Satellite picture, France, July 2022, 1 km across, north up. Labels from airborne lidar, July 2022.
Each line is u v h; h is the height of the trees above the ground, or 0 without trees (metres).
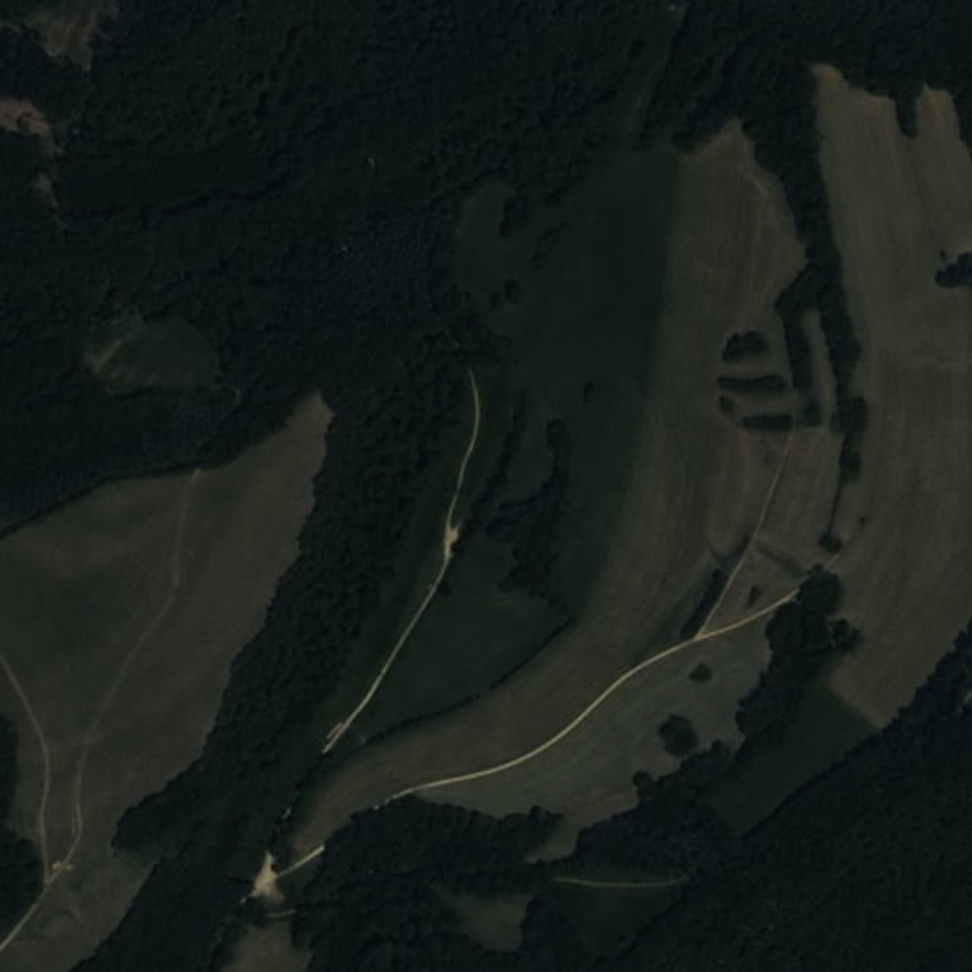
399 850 32
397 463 29
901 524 0
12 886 18
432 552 0
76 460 18
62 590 0
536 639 0
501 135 28
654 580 0
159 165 13
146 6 18
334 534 23
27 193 20
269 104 32
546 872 20
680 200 0
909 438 0
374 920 32
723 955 21
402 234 35
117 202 15
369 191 23
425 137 28
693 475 0
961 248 0
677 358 0
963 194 0
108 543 0
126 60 21
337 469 11
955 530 0
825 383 0
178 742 0
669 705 0
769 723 27
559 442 23
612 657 0
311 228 30
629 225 0
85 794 0
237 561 0
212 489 0
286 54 21
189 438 21
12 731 20
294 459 0
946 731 18
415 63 36
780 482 0
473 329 27
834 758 0
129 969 20
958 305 0
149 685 0
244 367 17
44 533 0
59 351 32
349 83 35
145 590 0
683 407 0
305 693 19
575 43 22
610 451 0
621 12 28
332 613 25
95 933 0
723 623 0
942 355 0
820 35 28
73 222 24
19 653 0
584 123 31
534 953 21
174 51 20
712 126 28
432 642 0
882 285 0
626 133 0
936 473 0
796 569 0
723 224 0
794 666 19
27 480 19
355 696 0
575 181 27
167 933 22
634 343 0
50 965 0
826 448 0
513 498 0
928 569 0
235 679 8
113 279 9
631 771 0
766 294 0
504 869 24
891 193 0
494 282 0
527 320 0
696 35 26
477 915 0
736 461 0
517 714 0
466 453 0
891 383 0
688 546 0
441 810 11
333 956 11
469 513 0
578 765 0
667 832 22
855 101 0
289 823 12
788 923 17
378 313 30
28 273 23
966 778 21
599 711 0
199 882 23
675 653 0
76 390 21
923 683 0
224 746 15
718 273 0
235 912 12
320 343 28
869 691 0
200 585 0
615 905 0
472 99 31
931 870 23
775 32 34
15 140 19
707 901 22
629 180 0
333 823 0
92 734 0
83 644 0
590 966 21
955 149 0
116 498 0
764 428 8
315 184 28
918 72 26
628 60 25
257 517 0
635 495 0
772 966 18
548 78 28
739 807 0
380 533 10
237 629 0
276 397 17
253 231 29
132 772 0
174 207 7
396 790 0
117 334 0
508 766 0
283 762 20
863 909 22
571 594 0
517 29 33
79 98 21
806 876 25
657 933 20
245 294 33
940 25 23
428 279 16
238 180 14
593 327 0
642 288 0
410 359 31
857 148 0
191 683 0
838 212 0
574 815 0
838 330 25
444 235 21
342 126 37
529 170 31
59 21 0
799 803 20
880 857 19
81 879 0
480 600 0
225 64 25
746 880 25
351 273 30
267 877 0
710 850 24
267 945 0
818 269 12
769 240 0
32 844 8
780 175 12
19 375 27
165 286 20
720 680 0
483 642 0
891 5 21
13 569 0
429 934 29
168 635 0
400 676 0
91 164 29
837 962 30
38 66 21
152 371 0
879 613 0
